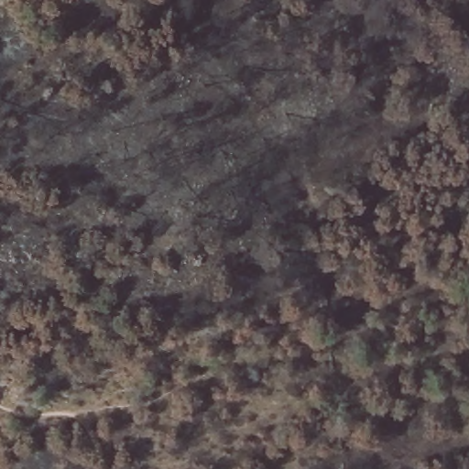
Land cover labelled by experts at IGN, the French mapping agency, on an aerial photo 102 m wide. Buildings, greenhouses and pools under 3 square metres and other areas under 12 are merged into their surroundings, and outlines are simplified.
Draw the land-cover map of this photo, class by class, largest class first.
<instances>
[{"label":"coniferous trees","instance_id":"1","mask_svg":"<svg viewBox=\"0 0 469 469\"><path fill-rule=\"evenodd\" d=\"M11 20L15 22L18 37L26 38L31 48L51 51L55 49V42H68L70 55L64 60H55L49 68L55 79L49 93L59 97L62 106H92L97 115L106 117L123 110L134 101L132 95H119L123 88L128 92H134L139 82L147 84L156 79L161 71L170 70V66H185L189 60L194 59V49L209 51L214 59H220V48L229 42L231 33L245 22H249L256 37L264 40L266 48L289 57L291 66L302 71L306 81L319 92L343 93L348 75H354V86L350 88V95H354V110L350 112V117L361 119L374 117L377 112H383V119L390 121L392 132L399 134L379 145L376 150H372V154L363 163L354 165L350 169L352 172L348 174L346 183H341L339 187L310 183L306 187L308 198L297 203V209L304 211L308 216L282 225L277 231L260 234L255 240L253 255L245 249L240 253H229L224 256V267L211 266L207 269L200 266L202 260L196 256L183 258L180 269H172L159 262V256L163 251H180L181 247L189 242L187 236H176V233L185 225L191 224V214L183 213L180 207H174L170 218L145 220L143 225L136 229L119 224V216L134 213L139 207H143L147 200L143 194L128 198L123 196L125 187L112 185L99 170L95 169V165L70 163L24 167L22 158L11 161L9 169L0 172V363H13L11 350L15 348L22 357H26L29 361L27 376L35 379L33 385H29L26 390L37 392L38 388H44L46 392L40 398L42 405L57 401L64 390L70 394H82L86 390H92L95 396H101L104 387L108 385V379L103 377L101 370L110 368L114 363L128 366L132 361L134 365L143 366L145 372L154 377L152 392L141 396L137 401L141 412L150 410L147 423H136L132 420V414L125 409L104 410L95 414L92 412L75 418H46L42 423L37 416H26L24 407H16L11 416V427L15 431L27 432L33 438V442L29 447L31 451L27 460L22 456H16L15 453L5 454L9 469H469V114L451 115L449 110L445 112L438 108L432 114H427L432 97L445 95L449 90V79L445 73H431L427 70V64L432 62L434 57L421 46L414 51L412 57L409 55L407 42L399 38L370 37V33L365 29V16L352 15L344 0H0V53L4 51V29L9 26ZM412 18L423 27H431L434 33L440 35L443 55H447L453 64L462 66V70L469 73V0H403L399 4V9H392L388 13V26L399 29Z\"/></svg>","mask_w":469,"mask_h":469},{"label":"bare soil","instance_id":"2","mask_svg":"<svg viewBox=\"0 0 469 469\"><path fill-rule=\"evenodd\" d=\"M352 15L365 16V29L370 33V37L399 38L407 42L409 55L412 57L414 51L421 46L434 57L432 62L427 64V70L431 73H445L449 79V90L445 95L432 97L427 114H432L438 108L445 112L449 110L451 115L469 114V73L462 70V66L453 64L447 55H443L440 35L434 33L431 27H423L412 18L399 29L388 26V13L392 9H399V4L403 0H344ZM4 51L0 53V172L9 169L11 161L22 158L24 167L70 163L95 165V169L99 170L112 185L125 187L123 196L128 198L143 194L147 200L143 207H139L134 213L119 216V224L136 229L143 225L145 220L170 218L174 207H180L183 213L191 214V224L185 225L176 233V236H187L189 242L181 247L180 251H163L159 256V262L172 269H180L183 258L196 256L202 260L200 266L207 269L211 266L224 267V256L229 253H240L245 249L253 255L255 240L260 234L277 231L282 225L308 216L304 211L297 209V203L308 198L306 187L310 183L339 187L341 183H346L348 174L352 172L350 169L354 165L363 163L372 154V150H376L379 145L399 134L392 132L390 121L383 119V112H377L374 117L361 119L350 117V112L354 110V95H350V88L354 86V75H348L343 93L319 92L306 81L302 71L291 66L289 57L266 48L264 40L256 37L249 22H245L231 33L229 42L220 48V59H214L209 51L194 49V59L189 60L185 66H170V70L161 71L156 79L147 84L139 82L134 92H128L123 88L119 95H132L134 101L123 110L106 117L97 115L92 106H62L59 97L49 93L55 79L49 68L55 60H64L70 55L68 42H55V49L51 51L31 48L26 38L18 37L15 22L11 20L9 26L4 29ZM13 363H0V469H9L5 454L15 453L16 456H22L27 460L31 451L29 447L33 442V438L27 432L15 431L11 427V416L16 407H24L26 416H37L42 423L46 418H75L92 412L95 414L104 410L125 409L132 414V420L136 423H147L150 410L141 412L137 401L141 396L152 392L154 377L145 372L143 366L134 365L132 361L128 366L114 363L110 368L101 370L103 377L108 379V385L104 387L101 396H95L92 390H86L82 394H70L64 390L57 401L42 405L40 398L46 392L44 388H38L37 392L26 390L29 385H33L35 379L27 376L29 361L26 357H22L15 348L11 350Z\"/></svg>","mask_w":469,"mask_h":469}]
</instances>
